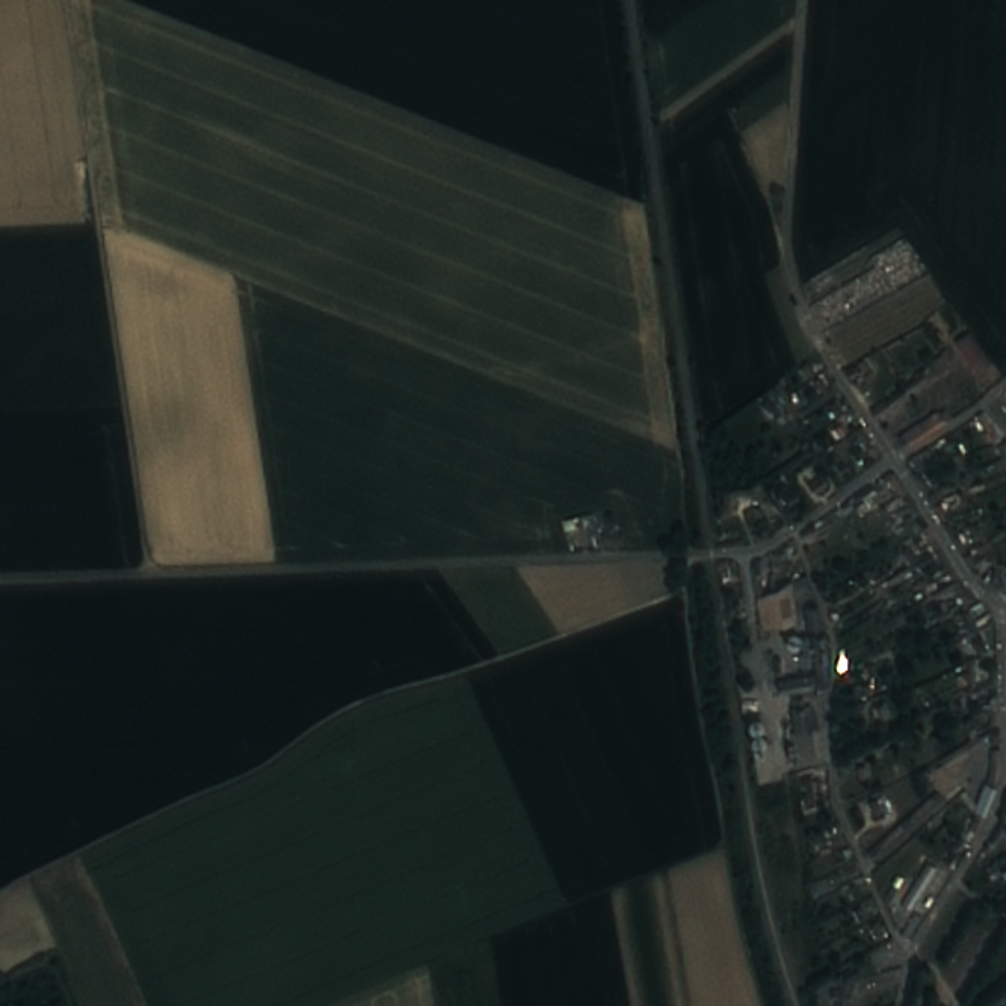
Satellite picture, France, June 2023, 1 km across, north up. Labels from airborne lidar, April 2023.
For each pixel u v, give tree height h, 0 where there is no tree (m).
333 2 0
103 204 0
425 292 0
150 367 0
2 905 0
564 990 0
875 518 0
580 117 0
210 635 0
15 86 0
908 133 0
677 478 0
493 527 0
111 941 0
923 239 0
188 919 0
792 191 0
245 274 0
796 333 0
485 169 0
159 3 0
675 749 0
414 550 0
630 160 0
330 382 0
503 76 0
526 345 0
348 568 0
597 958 0
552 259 0
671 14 0
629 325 0
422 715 0
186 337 0
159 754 0
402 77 0
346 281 0
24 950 0
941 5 0
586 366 0
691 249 0
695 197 0
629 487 0
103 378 0
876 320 0
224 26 0
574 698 0
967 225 0
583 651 0
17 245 0
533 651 0
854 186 0
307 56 0
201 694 0
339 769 0
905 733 15
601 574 0
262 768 0
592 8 0
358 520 0
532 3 0
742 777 0
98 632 0
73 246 0
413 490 0
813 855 6
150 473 0
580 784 0
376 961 0
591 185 0
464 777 0
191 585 0
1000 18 0
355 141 0
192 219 0
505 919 0
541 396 0
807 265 0
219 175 0
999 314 0
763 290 0
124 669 0
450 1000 0
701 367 0
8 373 0
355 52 0
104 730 0
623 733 0
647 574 0
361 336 0
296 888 0
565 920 0
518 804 0
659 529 0
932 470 11
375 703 0
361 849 0
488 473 0
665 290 0
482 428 0
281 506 0
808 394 10
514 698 0
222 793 0
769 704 0
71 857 0
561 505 0
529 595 0
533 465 0
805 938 0
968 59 0
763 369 0
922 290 0
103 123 0
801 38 0
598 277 0
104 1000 0
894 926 0
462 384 0
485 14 0
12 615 0
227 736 0
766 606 0
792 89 0
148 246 0
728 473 9
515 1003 0
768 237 0
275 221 0
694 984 0
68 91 0
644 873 0
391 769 0
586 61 0
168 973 0
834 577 6
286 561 0
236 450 0
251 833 0
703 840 0
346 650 0
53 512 0
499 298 0
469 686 0
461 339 0
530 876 0
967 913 14
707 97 0
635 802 0
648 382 0
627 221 0
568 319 0
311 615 0
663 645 0
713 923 0
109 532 0
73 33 0
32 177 0
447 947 0
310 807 0
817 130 0
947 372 0
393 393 0
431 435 0
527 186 0
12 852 0
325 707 0
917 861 0
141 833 0
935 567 6
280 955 0
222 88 0
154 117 0
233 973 0
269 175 0
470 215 0
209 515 0
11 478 0
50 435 0
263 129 0
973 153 0
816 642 0
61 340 0
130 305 0
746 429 0
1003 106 0
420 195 0
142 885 0
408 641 0
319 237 0
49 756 0
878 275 0
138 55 0
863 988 0
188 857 0
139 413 0
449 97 0
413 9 0
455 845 0
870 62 0
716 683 10
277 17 0
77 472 0
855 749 13
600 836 0
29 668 0
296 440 0
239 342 0
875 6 0
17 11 0
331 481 0
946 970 0
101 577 0
